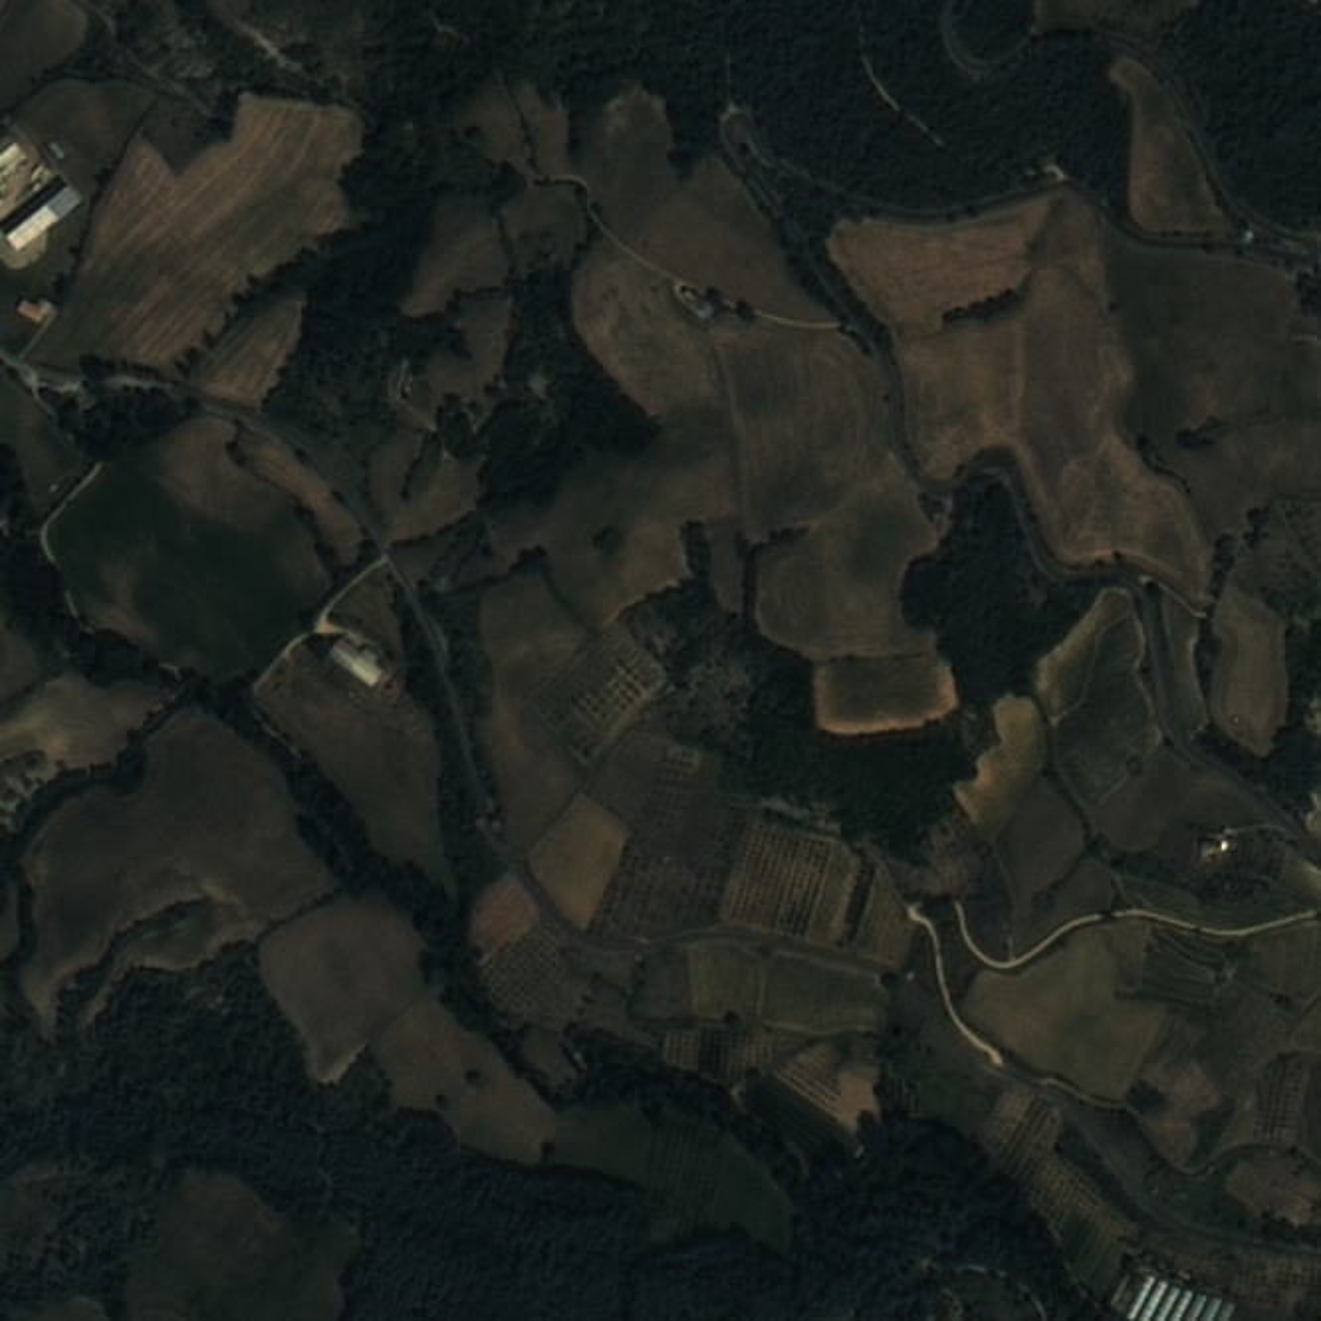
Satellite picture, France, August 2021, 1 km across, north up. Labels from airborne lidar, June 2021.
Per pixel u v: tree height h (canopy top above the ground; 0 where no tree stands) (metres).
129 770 15
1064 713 0
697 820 0
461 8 14
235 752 0
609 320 0
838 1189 30
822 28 7
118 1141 12
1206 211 0
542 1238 17
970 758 8
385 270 17
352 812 30
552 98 12
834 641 0
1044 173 5
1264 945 0
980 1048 0
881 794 7
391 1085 7
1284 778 7
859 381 0
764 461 0
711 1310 7
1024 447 0
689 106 10
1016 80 11
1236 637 0
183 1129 9
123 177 0
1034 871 0
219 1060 9
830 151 10
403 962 0
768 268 0
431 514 0
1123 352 0
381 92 9
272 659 0
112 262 0
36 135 0
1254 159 6
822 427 0
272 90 10
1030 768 0
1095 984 0
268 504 0
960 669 9
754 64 14
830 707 0
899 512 0
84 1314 0
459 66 9
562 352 6
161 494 0
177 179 0
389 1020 0
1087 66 14
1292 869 0
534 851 0
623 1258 14
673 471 0
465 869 6
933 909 16
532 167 8
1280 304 0
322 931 0
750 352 0
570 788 0
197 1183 0
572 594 0
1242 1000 0
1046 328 0
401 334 7
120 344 0
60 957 0
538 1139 0
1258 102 10
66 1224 7
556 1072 0
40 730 0
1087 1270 0
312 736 0
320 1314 0
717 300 12
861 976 0
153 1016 8
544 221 0
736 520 0
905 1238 7
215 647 0
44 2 0
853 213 12
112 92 0
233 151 0
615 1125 0
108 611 0
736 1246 17
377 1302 17
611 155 0
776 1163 14
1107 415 0
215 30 12
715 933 0
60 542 0
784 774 6
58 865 0
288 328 0
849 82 8
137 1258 0
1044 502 0
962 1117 0
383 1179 12
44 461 0
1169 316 0
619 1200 15
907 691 0
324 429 8
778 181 9
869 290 0
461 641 10
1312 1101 0
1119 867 10
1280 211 6
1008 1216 11
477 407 9
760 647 11
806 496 0
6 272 0
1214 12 7
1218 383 0
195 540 0
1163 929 0
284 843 0
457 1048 0
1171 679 0
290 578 0
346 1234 0
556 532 0
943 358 0
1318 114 9
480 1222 16
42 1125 12
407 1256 15
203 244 0
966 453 0
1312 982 0
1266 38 9
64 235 0
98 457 15
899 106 7
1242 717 0
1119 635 0
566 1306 10
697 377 0
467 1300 15
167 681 13
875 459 0
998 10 5
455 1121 0
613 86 7
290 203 0
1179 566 0
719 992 0
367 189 15
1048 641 9
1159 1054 0
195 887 0
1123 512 0
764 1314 9
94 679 10
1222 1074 0
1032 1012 0
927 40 6
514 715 0
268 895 0
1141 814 0
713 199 0
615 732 0
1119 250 0
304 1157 17
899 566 0
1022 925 0
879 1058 7
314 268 20
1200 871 0
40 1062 8
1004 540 15
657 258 0
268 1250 0
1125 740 0
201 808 0
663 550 0
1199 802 0
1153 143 0
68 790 14
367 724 0
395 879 30
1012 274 0
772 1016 0
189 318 0
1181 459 0
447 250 0
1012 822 0
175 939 0
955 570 10
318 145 0
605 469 0
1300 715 9
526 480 11
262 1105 7
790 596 0
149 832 0
